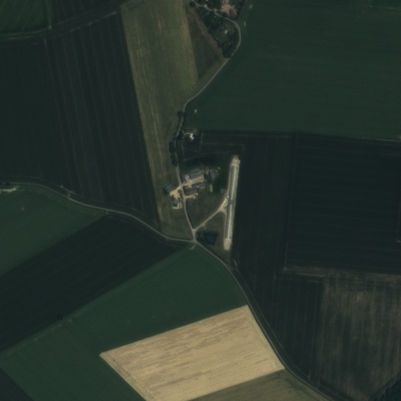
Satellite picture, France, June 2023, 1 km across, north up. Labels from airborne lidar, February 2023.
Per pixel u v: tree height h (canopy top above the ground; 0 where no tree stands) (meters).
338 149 0
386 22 0
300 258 0
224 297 0
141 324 0
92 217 0
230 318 0
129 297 0
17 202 0
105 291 0
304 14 0
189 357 0
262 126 0
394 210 0
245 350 0
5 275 0
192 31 0
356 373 0
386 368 0
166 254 0
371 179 0
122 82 0
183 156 0
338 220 0
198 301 0
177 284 0
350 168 0
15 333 0
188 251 0
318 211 0
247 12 0
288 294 0
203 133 0
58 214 0
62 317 15
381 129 0
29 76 0
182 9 0
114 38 0
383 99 0
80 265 0
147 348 0
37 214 0
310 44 0
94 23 0
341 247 0
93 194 0
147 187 0
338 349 0
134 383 0
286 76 0
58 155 0
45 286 0
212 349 0
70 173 0
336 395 0
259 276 0
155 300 0
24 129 0
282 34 0
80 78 0
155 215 0
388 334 0
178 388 0
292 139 0
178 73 0
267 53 0
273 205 0
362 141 0
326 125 0
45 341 0
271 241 0
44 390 0
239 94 0
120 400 0
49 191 0
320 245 0
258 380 0
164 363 0
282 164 0
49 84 0
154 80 0
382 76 0
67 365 0
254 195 0
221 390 0
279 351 0
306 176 0
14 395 0
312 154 0
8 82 0
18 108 0
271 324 0
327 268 0
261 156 0
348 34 0
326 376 0
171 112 0
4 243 0
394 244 0
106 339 0
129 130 0
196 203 0
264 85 0
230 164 0
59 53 0
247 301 0
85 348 0
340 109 0
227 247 0
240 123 0
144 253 0
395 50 0
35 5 0
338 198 0
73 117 0
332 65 0
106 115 0
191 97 0
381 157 0
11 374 0
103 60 0
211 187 0
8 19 0
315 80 0
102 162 0
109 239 0
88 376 0
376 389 0
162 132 0
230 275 0
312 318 0
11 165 0
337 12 0
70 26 0
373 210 0
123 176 0
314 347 0
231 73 0
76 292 0
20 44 0
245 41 0
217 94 0
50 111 0
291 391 0
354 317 0
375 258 0
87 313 0
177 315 0
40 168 0
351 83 0
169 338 0
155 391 0
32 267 0
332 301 0
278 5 0
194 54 0
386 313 0
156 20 0
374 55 0
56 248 0
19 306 0
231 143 0
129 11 0
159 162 0
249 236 0
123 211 0
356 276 0
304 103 0
